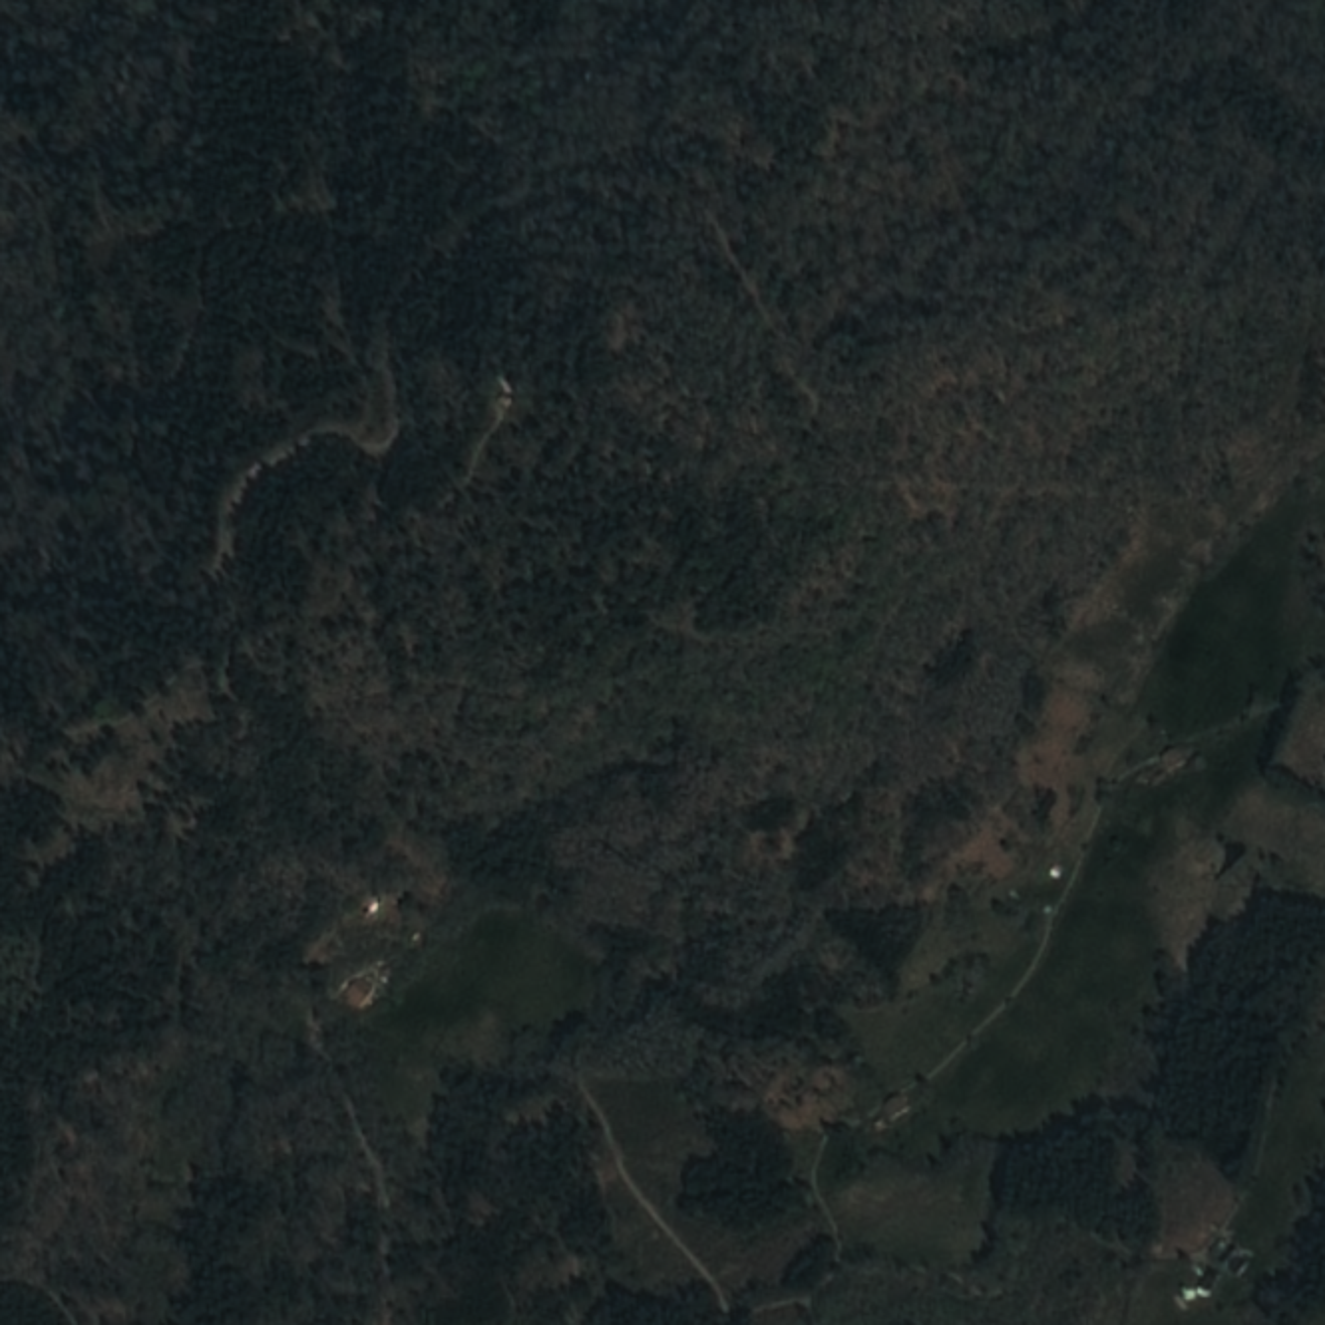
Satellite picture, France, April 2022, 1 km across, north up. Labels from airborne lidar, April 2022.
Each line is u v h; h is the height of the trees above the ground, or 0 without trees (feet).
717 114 76
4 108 98
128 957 76
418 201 47
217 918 55
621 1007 71
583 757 50
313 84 22
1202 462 40
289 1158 103
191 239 49
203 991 44
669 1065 93
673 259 54
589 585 110
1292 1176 0
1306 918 97
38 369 90
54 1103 71
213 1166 24
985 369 73
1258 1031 115
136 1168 110
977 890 57
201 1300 57
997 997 0
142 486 83
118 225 25
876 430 46
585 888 94
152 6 88
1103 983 0
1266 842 0
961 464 91
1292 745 117
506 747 67
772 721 67
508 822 72
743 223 79
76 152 100
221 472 29
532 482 70
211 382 22
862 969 43
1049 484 74
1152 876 0
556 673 24
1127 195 78
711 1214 72
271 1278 67
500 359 54
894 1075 0
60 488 55
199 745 51
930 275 42
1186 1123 94
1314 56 113
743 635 43
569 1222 51
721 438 63
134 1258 27
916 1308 40
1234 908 0
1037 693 115
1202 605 0
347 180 53
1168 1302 0
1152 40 85
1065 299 51
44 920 65
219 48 49
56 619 96
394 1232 66
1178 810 0
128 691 76
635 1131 0
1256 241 67
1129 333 55
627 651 20
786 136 88
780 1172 72
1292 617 0
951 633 81
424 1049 0
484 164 54
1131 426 70
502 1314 39
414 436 32
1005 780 74
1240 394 67
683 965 64
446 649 86
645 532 84
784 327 58
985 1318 33
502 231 48
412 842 50
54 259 110
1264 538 0
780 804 62
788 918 71
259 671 51
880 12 71
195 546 77
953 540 71
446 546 73
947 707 111
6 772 53
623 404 76
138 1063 71
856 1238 0
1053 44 59
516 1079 65
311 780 53
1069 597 49
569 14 82
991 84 75
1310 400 35
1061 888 0
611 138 86
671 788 101
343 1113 87
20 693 88
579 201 53
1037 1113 0
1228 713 0
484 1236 35
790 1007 47
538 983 0
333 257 42
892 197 41
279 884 45
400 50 32
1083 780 0
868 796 29
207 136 60
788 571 54
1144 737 0
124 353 32
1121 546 66
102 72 23
